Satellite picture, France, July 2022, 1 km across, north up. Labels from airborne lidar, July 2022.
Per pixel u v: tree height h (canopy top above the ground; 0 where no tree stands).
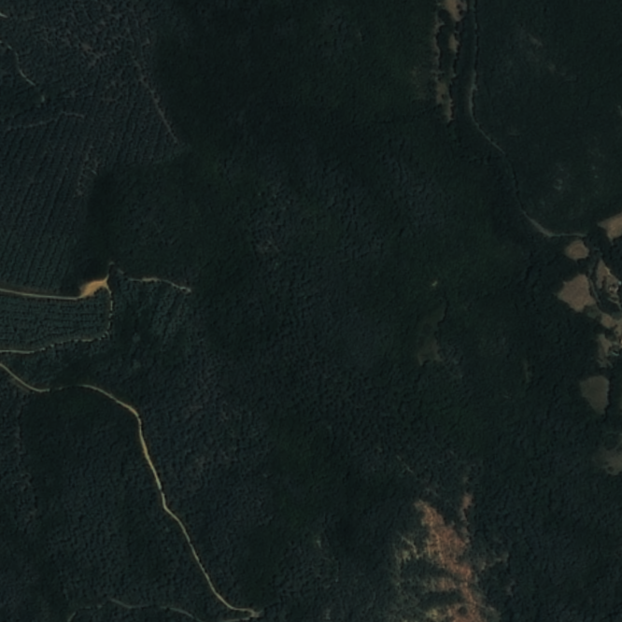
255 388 28
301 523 16
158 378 20
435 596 16
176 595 14
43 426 25
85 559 21
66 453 20
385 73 12
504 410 9
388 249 15
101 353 15
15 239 8
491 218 10
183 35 15
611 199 10
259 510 20
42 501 20
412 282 12
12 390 12
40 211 12
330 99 13
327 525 20
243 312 20
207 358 15
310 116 21
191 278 15
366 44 8
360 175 17
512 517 20
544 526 11
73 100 14
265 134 20
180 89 19
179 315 7
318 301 15
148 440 12
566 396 18
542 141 9
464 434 17
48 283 12
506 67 6
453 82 11
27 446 13
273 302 15
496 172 16
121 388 13
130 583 20
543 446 17
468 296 14
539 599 15
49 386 11
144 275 11
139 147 12
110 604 16
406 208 11
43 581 12
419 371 16
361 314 21
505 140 11
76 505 22
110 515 22
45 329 15
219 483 15
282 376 29
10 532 13
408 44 15
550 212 8
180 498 8
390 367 18
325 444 19
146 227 19
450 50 16
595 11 9
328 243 8
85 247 8
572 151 7
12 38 11
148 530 13
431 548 0
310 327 18
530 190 7
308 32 11
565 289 0
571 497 14
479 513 11
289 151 22
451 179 18
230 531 13
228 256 12
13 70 13
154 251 11
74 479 20
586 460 11
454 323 17
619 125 8
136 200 8
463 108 10
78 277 7
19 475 18
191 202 15
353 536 23
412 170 14
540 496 17
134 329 18
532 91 9
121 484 22
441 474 22
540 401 24
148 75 13
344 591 14
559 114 8
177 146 12
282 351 27
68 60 13
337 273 19
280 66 21
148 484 20
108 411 19
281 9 10
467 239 9
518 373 15
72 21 17
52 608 10
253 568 16
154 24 12
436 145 15
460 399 15
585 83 11
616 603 13
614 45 13
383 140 18
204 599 11
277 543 16
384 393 22
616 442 7
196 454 21
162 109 14
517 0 10
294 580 18
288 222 21
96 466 17
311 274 16
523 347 21
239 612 14
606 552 14
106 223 11
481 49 11
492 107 5
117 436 13
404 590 12
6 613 6
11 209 13
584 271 13
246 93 19
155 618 12
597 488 13
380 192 17
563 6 14
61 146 12
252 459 21
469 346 11
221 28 18
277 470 15
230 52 17
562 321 16
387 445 22
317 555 18
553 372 20
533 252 14
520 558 18
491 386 8
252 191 13
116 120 14
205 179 13
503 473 14
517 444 15
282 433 15
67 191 14
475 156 18
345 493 17
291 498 17
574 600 16
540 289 16
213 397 12
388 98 10
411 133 12
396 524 18
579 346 15
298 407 25
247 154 15
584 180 8
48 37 11
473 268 12
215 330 22
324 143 23
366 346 17
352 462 20
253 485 18
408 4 13
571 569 18
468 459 20
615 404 15
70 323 18
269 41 17
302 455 13
